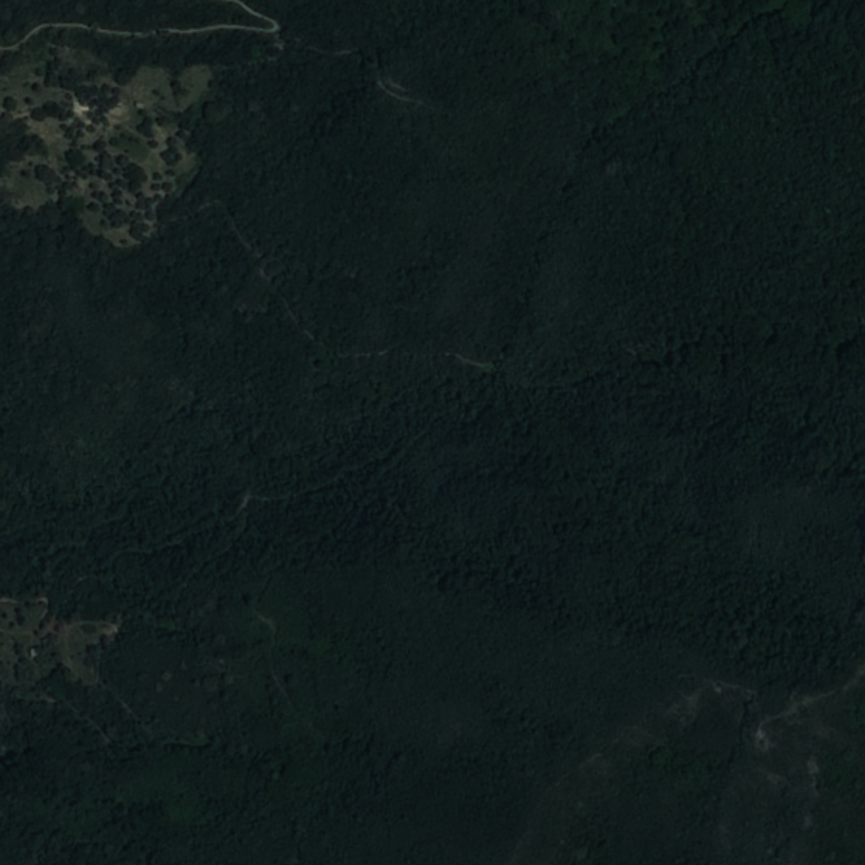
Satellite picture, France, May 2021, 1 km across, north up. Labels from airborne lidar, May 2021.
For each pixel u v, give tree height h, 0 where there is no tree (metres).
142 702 7
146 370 8
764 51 12
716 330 20
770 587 12
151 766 7
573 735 11
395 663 10
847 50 9
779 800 5
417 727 7
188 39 8
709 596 17
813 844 7
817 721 0
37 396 10
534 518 14
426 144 7
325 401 17
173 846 10
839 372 12
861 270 21
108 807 11
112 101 15
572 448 27
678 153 14
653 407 14
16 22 9
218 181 10
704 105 17
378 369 6
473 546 13
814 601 8
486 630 8
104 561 13
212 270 20
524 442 18
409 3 8
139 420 11
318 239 8
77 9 12
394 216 8
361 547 16
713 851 6
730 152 8
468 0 23
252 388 13
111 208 11
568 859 6
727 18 6
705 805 8
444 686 6
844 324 18
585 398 17
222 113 13
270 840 8
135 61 10
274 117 10
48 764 8
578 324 10
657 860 7
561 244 11
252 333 19
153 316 19
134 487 8
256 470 20
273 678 7
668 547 20
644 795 7
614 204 9
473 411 25
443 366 16
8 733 7
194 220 10
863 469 16
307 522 20
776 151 7
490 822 6
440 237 12
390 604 6
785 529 5
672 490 15
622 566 22
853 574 9
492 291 7
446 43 5
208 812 8
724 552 11
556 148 6
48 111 18
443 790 7
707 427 9
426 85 7
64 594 7
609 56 16
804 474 8
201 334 7
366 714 6
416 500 14
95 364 9
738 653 8
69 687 7
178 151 10
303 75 14
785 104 11
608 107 21
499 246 11
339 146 11
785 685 7
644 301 13
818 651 17
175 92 6
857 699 6
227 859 7
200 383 11
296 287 10
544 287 5
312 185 8
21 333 17
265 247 12
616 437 6
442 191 5
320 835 7
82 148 6
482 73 8
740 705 6
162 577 13
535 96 6
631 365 29
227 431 15
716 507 10
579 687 9
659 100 13
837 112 14
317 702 6
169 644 8
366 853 7
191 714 7
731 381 9
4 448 17
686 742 6
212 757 9
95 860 9
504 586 16
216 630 9
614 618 6
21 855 11
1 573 14
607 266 9
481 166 8
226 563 15
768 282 15
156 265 9
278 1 6
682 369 25
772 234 7
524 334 8
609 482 22
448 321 7
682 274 8
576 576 8
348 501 13
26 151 14
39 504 24
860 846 7
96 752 16
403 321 18
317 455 20
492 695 9
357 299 12
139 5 10
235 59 10
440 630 9
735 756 6
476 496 12
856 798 10
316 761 5
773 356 21
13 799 8
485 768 10
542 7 9
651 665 7
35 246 12
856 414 14
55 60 8
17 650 10
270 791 8
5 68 15
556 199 18
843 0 9
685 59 17
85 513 12
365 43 16
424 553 13
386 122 8
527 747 8
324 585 7
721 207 14
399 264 7
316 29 9
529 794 8
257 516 10
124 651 8
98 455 10
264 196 10
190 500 8
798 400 20
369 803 7
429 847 6
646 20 14
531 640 8
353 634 8
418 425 12
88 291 9
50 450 10
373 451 19
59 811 9
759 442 21
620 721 7
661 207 11
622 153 12
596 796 7
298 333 12
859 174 9
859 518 7
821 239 13
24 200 0
